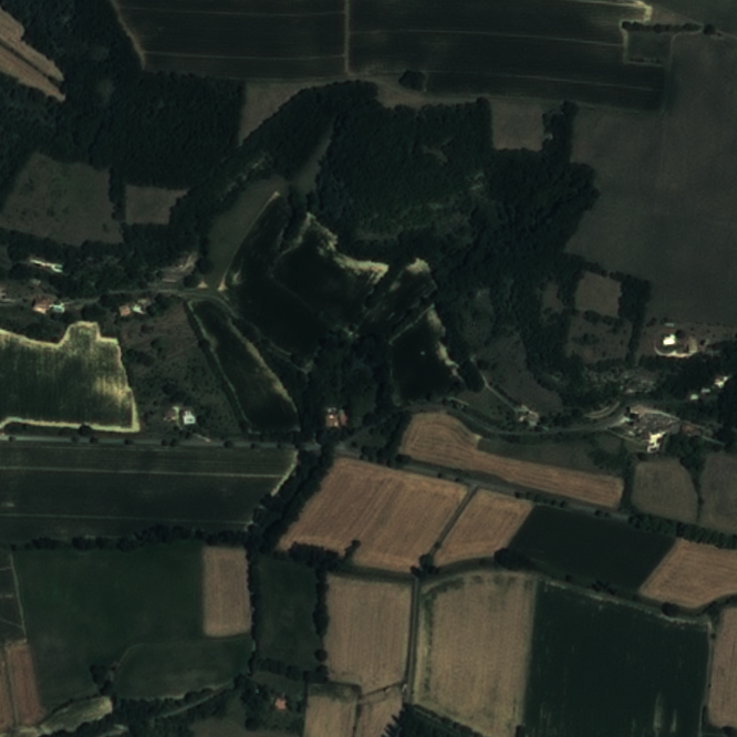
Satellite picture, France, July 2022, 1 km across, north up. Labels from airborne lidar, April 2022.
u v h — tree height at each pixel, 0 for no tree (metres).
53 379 0
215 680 0
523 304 8
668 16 0
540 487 0
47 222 0
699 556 0
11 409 0
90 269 7
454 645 0
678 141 0
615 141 0
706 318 0
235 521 0
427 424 0
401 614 0
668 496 0
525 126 0
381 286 13
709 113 0
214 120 13
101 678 15
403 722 15
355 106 20
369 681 0
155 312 20
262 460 0
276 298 0
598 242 0
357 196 10
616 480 0
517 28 0
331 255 0
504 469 0
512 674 0
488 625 0
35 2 12
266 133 12
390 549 0
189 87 9
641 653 0
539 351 9
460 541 0
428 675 0
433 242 16
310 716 0
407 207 10
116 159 15
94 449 0
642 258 0
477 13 0
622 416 0
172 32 0
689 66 0
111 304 18
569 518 0
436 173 11
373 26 0
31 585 0
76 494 0
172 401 9
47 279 7
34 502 0
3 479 0
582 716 0
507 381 0
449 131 10
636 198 0
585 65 0
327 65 0
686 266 0
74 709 0
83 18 13
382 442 0
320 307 0
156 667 0
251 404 0
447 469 0
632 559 0
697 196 0
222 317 0
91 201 0
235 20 0
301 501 13
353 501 0
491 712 0
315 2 0
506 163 11
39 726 0
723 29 0
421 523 0
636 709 0
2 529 0
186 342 0
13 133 6
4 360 0
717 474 0
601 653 0
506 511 0
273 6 0
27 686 0
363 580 0
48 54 10
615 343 0
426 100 0
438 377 0
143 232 11
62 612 0
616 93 0
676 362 7
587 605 0
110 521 0
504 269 15
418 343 0
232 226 0
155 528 0
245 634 0
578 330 0
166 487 0
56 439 0
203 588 0
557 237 17
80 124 19
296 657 0
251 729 12
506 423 7
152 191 0
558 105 0
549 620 0
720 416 11
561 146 10
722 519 0
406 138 10
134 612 0
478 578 0
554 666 0
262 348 10
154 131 8
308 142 20
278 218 0
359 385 7
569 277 9
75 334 0
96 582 0
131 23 0
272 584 0
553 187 7
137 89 10
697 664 0
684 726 0
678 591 0
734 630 0
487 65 0
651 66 0
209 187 13
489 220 12
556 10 0
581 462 0
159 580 0
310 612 0
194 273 7
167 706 10
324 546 0
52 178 0
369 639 0
